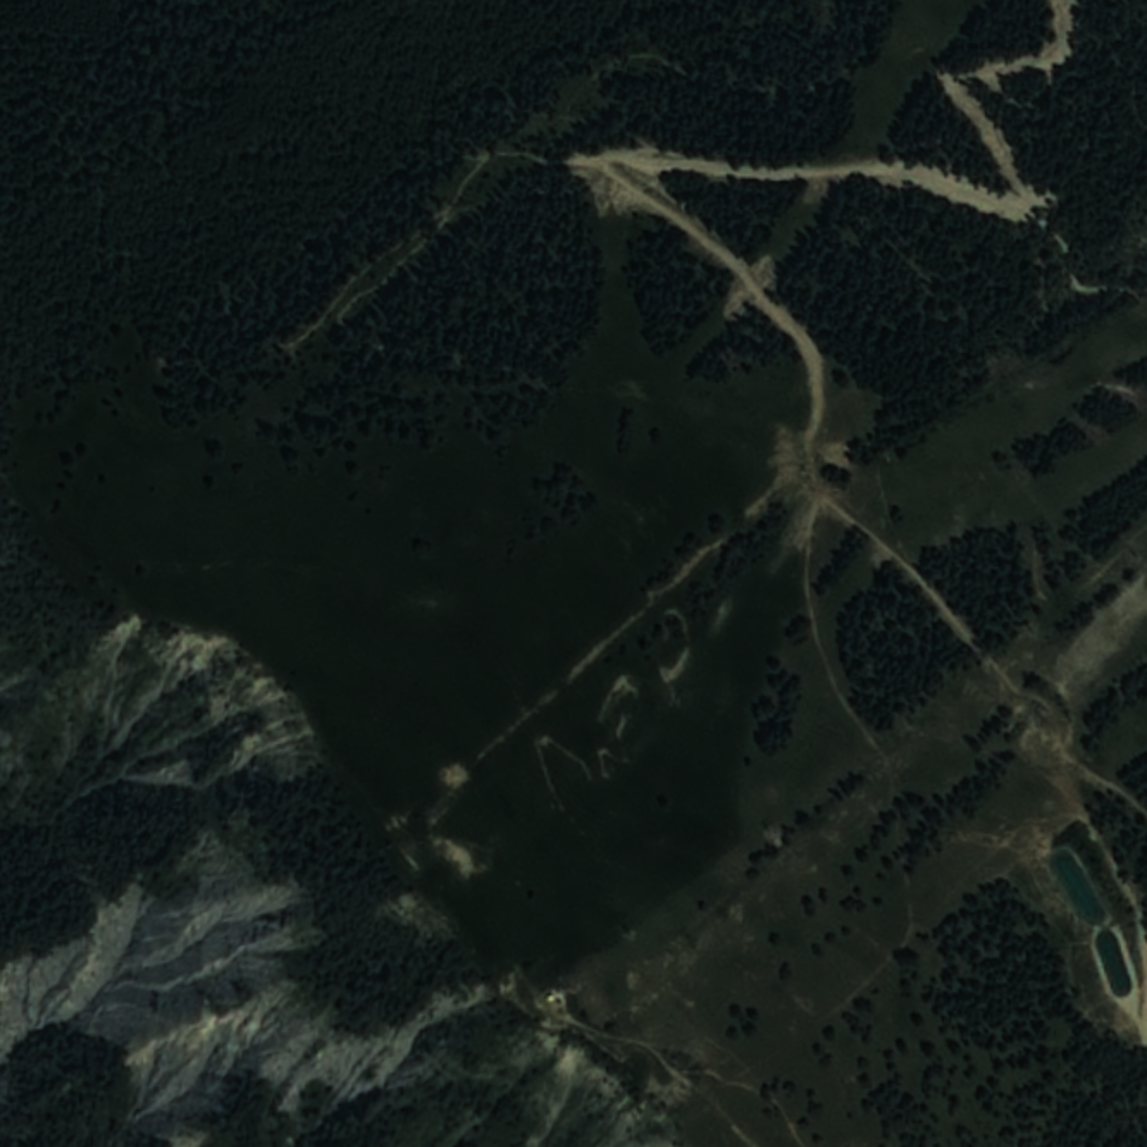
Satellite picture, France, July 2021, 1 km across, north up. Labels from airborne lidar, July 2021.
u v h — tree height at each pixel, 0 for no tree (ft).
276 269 43
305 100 46
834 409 0
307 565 0
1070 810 0
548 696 0
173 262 69
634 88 93
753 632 0
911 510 0
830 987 0
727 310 0
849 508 0
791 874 0
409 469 0
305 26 63
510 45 51
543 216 94
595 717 0
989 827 0
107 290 64
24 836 24
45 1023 0
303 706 0
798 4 80
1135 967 0
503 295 61
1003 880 39
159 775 0
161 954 0
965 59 63
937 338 66
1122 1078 36
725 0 57
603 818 0
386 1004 48
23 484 0
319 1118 48
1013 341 33
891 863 55
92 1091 21
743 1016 43
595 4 96
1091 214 45
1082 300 34
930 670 59
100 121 45
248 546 0
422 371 33
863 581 0
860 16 83
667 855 0
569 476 73
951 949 66
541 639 0
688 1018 0
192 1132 0
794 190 48
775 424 0
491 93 31
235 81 65
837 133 57
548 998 0
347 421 67
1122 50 53
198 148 49
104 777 30
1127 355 0
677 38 65
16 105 81
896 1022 0
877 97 0
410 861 0
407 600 0
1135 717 0
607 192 0
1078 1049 49
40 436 0
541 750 0
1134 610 0
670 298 86
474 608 0
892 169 0
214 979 0
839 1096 0
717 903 0
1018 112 69
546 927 0
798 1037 0
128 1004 0
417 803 0
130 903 0
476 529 0
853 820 0
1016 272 58
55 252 60
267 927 0
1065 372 0
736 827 0
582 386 0
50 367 53
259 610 0
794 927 0
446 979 24
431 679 0
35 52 31
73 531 0
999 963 48
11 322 34
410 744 0
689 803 0
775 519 30
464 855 0
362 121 49
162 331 53
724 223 58
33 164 55
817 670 0
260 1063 0
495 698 0
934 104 54
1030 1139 20
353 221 108
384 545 0
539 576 0
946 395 56
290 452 55
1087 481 0
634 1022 0
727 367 85
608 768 0
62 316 65
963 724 0
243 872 0
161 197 59
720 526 49
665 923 0
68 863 23
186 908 0
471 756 0
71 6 69
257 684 0
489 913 0
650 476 0
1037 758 0
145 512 0
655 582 36
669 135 72
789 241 0
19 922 41
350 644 0
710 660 0
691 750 0
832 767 0
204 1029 0
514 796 0
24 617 20
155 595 0
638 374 0
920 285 83
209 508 0
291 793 42
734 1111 0
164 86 52
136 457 0
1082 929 0
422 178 73
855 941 0
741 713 0
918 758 0
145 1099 0
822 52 58
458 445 0
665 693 0
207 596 0
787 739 64
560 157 43
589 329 47
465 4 53
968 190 0
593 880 0
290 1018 0
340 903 40
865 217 90
